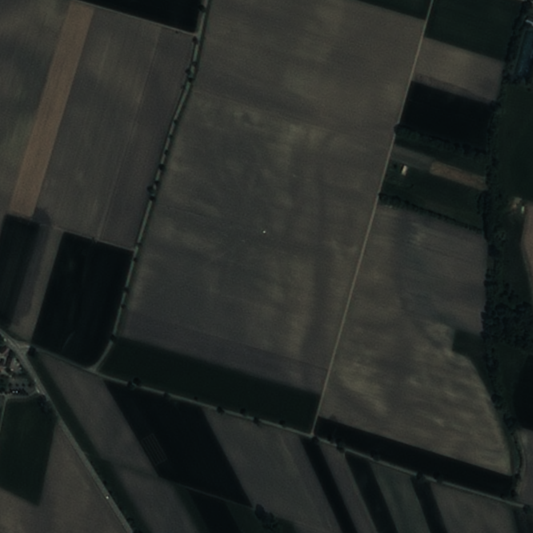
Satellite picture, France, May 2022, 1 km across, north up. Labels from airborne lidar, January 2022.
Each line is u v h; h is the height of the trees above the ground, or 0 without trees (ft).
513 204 0
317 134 0
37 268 0
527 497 0
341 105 0
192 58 0
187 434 0
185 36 0
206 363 0
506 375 0
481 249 0
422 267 0
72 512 0
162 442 0
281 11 0
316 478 0
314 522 0
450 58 0
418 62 0
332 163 0
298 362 0
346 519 0
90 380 0
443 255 0
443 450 0
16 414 0
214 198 0
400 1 0
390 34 0
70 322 0
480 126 0
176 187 0
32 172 0
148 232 0
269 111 0
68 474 0
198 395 0
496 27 0
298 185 0
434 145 50
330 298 0
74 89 0
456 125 0
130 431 0
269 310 0
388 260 0
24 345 0
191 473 0
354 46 0
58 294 0
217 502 0
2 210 0
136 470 0
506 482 0
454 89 0
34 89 0
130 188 0
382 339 0
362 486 0
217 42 0
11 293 0
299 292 0
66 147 0
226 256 0
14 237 0
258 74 0
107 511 0
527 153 0
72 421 0
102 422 0
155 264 0
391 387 0
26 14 0
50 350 0
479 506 0
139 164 0
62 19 0
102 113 0
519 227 0
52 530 0
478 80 0
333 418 0
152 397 0
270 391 0
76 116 0
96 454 0
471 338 0
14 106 0
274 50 0
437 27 0
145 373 0
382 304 0
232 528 0
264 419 0
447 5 0
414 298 0
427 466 0
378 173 0
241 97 0
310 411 0
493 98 0
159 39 0
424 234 0
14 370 0
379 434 0
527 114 0
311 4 0
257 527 0
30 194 0
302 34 0
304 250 0
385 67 0
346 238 0
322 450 0
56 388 0
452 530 0
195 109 0
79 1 0
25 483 0
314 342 0
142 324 0
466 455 0
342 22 0
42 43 0
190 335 0
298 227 0
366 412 0
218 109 0
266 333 0
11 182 0
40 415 0
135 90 0
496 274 25
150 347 0
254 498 0
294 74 0
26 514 0
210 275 0
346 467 0
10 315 0
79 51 0
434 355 0
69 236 0
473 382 0
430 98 0
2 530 0
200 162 0
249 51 0
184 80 0
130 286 0
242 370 0
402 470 0
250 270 0
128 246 0
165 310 0
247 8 0
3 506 0
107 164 0
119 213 0
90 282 0
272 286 0
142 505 0
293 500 0
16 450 0
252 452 0
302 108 0
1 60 0
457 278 0
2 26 0
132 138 0
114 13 0
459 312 0
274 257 0
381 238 0
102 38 0
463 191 0
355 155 0
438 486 0
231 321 0
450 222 29
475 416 0
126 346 0
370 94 0
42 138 0
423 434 0
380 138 0
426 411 0
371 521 0
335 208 0
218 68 0
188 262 0
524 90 0
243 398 0
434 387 0
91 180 0
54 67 0
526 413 0
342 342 0
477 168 0
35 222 0
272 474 0
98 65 0
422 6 0
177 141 0
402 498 0
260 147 0
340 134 0
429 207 0
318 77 0
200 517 0
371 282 0
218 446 0
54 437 0
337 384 0
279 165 0
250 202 0
